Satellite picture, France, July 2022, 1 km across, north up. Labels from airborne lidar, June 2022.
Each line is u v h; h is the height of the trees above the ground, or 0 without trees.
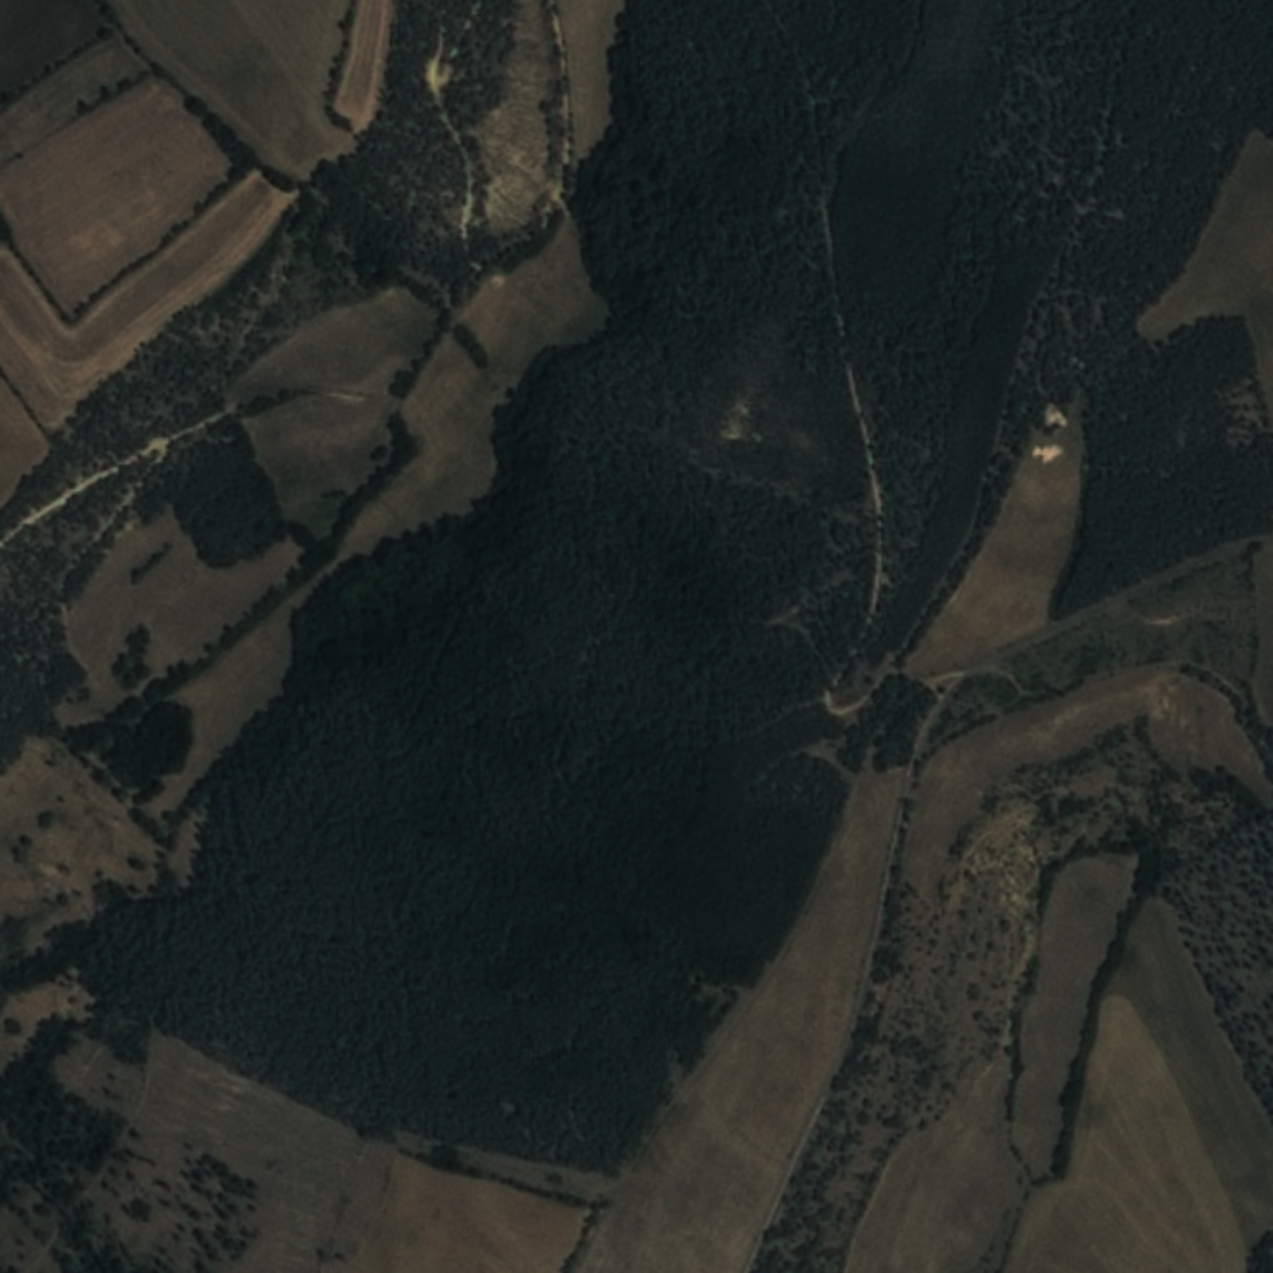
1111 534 16
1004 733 0
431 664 15
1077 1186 0
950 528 7
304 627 17
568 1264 8
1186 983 0
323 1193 0
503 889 13
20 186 0
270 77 0
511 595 14
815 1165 7
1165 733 0
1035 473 0
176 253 0
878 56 12
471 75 10
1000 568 0
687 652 14
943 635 0
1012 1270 0
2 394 0
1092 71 7
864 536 8
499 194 0
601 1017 17
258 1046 7
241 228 0
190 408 10
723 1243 0
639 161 9
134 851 0
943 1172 0
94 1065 0
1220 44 12
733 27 14
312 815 12
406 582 21
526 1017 18
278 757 12
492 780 12
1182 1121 0
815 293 7
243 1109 0
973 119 7
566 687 12
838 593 9
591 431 14
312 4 0
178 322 7
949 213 9
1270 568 0
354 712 9
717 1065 0
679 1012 11
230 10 0
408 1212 0
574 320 0
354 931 17
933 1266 0
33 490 9
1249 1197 0
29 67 0
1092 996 7
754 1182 0
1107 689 0
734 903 9
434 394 0
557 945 11
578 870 15
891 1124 9
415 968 11
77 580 8
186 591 0
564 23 0
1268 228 0
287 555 0
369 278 13
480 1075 13
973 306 11
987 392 9
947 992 0
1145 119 14
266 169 7
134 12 0
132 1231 0
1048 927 0
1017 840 0
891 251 9
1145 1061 0
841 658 7
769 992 0
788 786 12
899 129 7
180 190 0
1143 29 15
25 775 0
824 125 14
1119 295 8
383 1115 11
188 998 13
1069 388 8
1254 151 0
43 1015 0
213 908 11
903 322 10
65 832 0
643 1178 0
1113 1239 0
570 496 18
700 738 14
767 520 13
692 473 9
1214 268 0
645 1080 10
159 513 7
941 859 0
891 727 9
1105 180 11
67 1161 11
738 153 21
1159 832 6
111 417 7
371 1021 20
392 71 6
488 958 15
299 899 16
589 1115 11
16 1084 20
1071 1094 11
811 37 9
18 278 0
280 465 0
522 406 8
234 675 0
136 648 11
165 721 17
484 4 9
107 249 0
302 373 0
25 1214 10
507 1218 0
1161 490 11
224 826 18
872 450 8
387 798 13
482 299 0
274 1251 0
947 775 0
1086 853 8
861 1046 9
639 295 18
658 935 10
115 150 0
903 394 11
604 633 15
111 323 0
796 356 11
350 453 0
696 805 8
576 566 12
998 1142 0
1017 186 8
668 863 13
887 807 0
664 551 15
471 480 0
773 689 9
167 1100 0
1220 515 11
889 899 7
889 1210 0
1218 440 7
